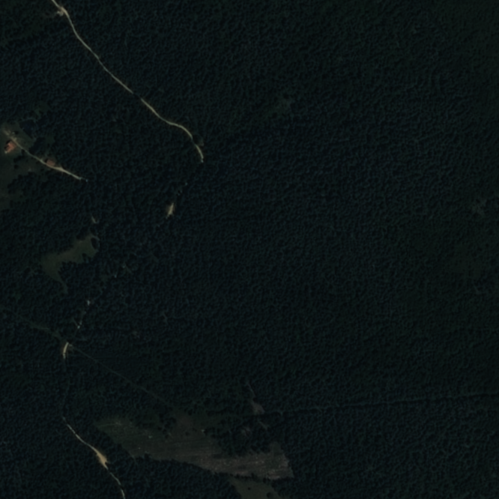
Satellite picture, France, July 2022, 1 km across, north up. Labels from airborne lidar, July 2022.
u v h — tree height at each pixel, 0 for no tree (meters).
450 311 12
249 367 20
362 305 11
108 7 13
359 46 13
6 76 23
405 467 17
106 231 7
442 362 13
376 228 14
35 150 21
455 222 10
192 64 20
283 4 11
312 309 13
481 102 12
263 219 22
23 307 19
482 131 10
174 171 28
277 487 14
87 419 24
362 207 17
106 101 17
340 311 15
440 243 10
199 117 21
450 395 15
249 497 0
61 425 23
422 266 9
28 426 17
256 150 26
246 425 13
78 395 18
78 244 0
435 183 19
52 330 16
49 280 8
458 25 7
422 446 18
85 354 14
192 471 22
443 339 16
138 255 21
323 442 17
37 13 7
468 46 8
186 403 11
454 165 13
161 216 29
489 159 15
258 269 12
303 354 16
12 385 22
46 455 16
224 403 13
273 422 18
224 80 11
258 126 7
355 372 19
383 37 13
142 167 30
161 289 25
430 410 20
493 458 20
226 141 12
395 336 12
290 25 22
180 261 22
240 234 20
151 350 14
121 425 0
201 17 21
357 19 17
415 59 7
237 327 8
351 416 15
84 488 13
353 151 14
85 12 10
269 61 16
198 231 21
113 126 22
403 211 14
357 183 24
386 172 22
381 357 11
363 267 15
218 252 21
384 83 13
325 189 21
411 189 19
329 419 18
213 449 0
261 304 23
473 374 14
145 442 0
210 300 20
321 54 17
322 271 16
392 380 16
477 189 11
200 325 27
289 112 8
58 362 24
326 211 18
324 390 17
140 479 28
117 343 14
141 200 23
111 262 27
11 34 13
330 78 15
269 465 0
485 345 11
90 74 25
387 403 14
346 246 15
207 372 19
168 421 9
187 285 24
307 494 15
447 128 15
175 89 18
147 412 7
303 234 16
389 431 17
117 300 25
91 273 21
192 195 22
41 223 14
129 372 16
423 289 13
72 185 13
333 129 23
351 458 14
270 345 13
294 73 17
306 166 25
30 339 22
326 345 7
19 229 23
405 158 13
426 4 11
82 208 24
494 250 6
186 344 15
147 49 17
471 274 8
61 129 23
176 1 19
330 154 21
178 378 13
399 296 15
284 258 16
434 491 11
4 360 22
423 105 16
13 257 19
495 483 11
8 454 25
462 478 16
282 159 23
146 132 23
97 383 15
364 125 22
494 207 14
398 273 15
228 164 27
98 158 21
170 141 12
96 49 16
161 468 18
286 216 21
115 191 20
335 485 12
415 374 14
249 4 15
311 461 21
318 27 11
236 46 22
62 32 24
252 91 19
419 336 10
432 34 15
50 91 22
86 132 24
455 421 15
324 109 18
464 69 16
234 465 0
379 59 12
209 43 17
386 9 14
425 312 18
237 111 9
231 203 17
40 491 24
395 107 18
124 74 14
